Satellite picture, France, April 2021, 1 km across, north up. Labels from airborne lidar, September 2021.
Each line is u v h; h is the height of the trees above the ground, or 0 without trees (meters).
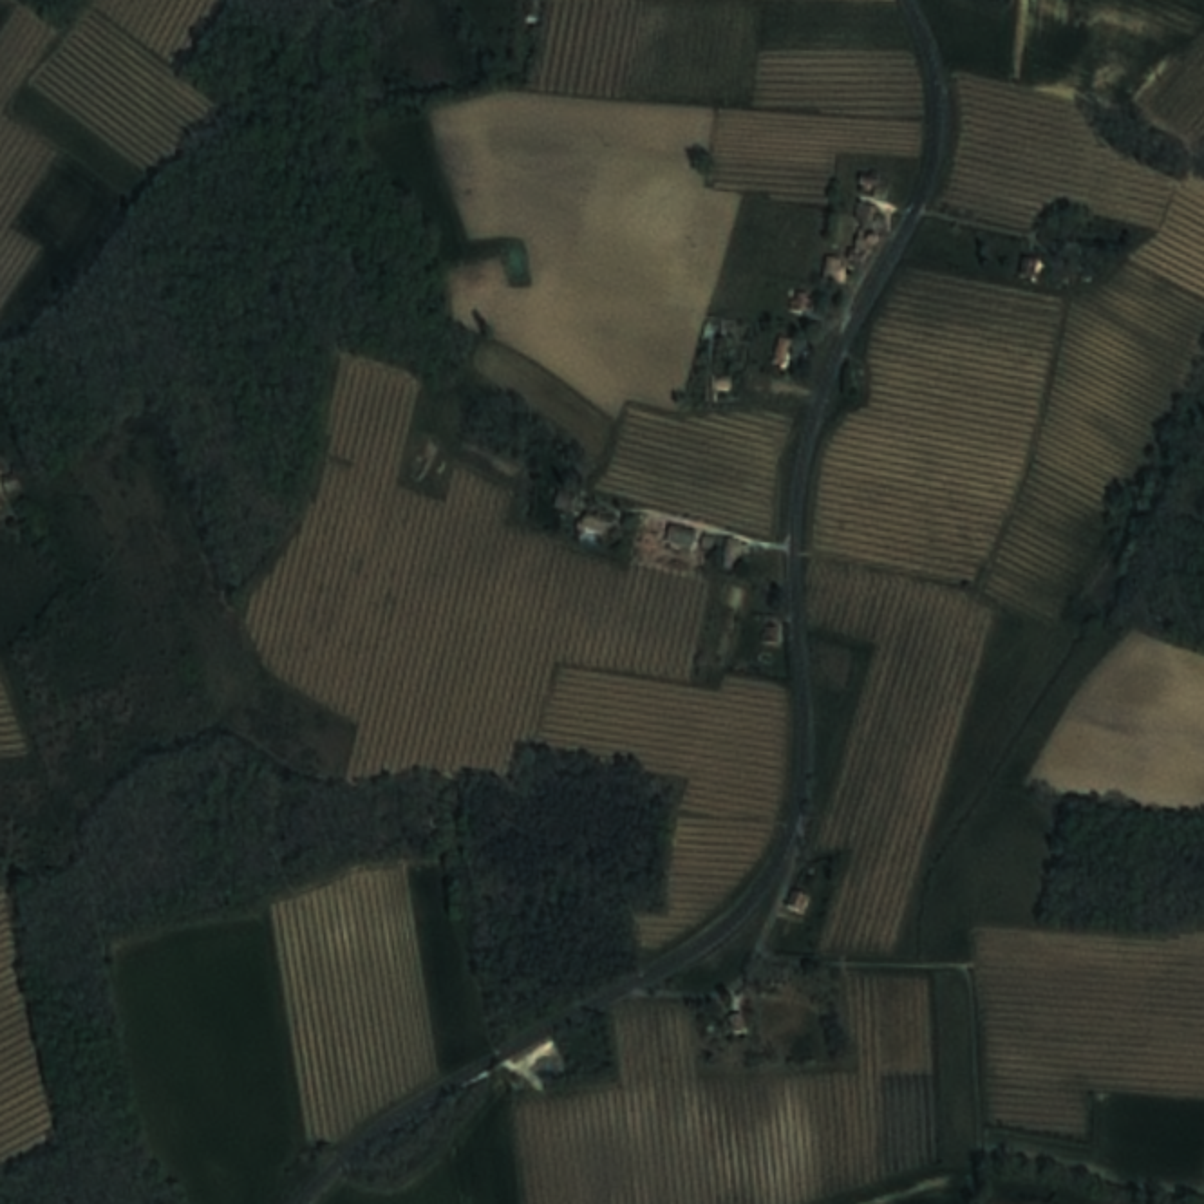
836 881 16
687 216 0
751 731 0
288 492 16
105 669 0
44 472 20
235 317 23
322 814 15
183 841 19
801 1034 0
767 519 0
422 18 0
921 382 0
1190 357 0
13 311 0
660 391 0
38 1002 22
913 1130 19
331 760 0
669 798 6
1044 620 0
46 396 23
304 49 22
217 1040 0
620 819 19
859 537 0
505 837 20
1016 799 0
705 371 6
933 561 0
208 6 0
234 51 21
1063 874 16
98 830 18
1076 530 0
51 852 7
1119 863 22
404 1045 0
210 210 21
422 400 0
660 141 0
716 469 0
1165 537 20
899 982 0
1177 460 32
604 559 0
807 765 0
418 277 19
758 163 0
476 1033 0
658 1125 0
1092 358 0
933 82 0
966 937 0
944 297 0
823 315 14
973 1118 0
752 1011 6
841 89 0
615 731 0
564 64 0
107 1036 24
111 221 0
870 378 0
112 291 19
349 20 18
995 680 0
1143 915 22
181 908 17
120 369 16
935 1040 0
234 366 22
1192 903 19
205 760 23
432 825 12
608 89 0
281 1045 0
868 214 0
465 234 0
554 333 0
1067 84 0
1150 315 0
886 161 0
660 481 0
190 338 21
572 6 0
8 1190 21
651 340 0
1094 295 0
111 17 0
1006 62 0
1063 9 0
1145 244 0
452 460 0
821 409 0
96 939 21
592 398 0
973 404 0
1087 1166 0
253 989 0
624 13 0
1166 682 0
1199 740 0
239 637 0
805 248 0
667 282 0
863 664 0
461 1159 0
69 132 0
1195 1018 0
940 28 0
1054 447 0
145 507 0
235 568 18
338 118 23
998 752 0
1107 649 0
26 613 0
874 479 0
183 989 0
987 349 0
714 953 0
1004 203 0
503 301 0
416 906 0
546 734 0
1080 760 0
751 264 0
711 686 0
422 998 0
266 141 26
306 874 16
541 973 21
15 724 0
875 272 0
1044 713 0
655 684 0
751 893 0
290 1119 0
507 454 16
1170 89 0
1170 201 0
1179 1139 0
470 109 0
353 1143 0
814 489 0
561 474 0
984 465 0
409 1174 10
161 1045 0
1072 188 0
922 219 0
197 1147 0
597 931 21
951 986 0
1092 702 0
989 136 0
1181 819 13
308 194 25
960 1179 0
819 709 0
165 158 0
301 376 23
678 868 0
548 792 21
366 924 0
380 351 16
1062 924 19
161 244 22
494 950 18
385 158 0
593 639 0
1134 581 16
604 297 0
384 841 9
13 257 0
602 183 0
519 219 0
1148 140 16
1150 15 0
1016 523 0
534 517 6
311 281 24
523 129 0
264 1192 0
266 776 19
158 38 0
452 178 0
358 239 21
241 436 17
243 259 24
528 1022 18
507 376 0
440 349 17
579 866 14
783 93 0
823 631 0
